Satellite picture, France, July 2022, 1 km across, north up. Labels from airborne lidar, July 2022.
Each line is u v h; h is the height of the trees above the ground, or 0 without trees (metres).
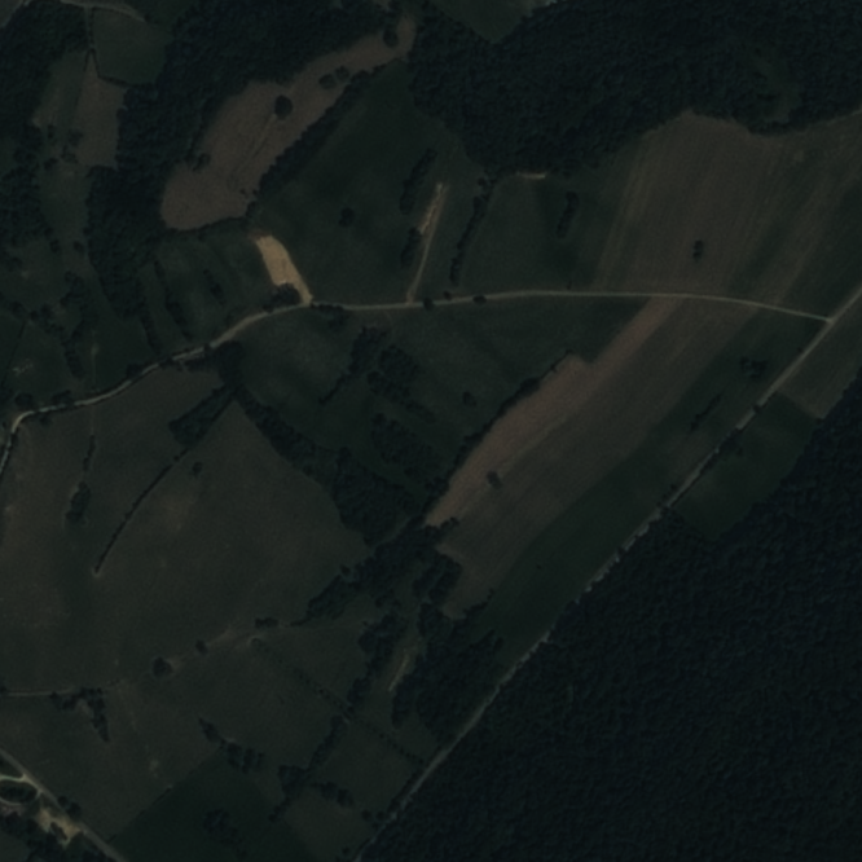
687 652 26
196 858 0
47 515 0
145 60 0
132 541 0
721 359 0
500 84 8
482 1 0
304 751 0
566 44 18
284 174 16
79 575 0
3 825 7
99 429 0
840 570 28
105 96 0
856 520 28
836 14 28
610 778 27
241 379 11
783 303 0
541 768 24
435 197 0
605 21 11
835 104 19
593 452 0
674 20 18
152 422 0
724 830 12
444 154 0
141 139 20
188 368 12
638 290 0
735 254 0
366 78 11
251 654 0
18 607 0
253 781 0
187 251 0
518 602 0
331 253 0
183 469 0
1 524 0
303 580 0
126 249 8
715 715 23
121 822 0
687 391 0
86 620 0
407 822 16
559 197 0
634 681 24
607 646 17
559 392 0
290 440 13
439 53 21
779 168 0
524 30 12
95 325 6
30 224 7
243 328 0
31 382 0
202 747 0
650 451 0
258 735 0
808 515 24
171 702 0
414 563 7
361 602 0
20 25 15
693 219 0
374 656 6
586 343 0
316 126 12
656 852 20
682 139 0
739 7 25
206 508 0
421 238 9
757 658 24
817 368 0
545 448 0
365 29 13
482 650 14
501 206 0
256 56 19
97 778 0
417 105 10
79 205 0
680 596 22
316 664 0
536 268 0
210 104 13
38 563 0
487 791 19
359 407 0
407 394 12
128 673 0
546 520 0
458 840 21
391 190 0
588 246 0
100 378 0
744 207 0
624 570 7
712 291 0
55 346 0
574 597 0
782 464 0
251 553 0
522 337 0
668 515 12
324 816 0
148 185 18
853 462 30
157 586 0
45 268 0
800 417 0
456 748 6
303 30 20
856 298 0
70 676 0
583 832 20
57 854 19
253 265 0
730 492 0
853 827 12
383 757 0
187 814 0
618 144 8
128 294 10
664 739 22
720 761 19
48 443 0
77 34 7
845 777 16
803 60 23
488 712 6
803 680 27
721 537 0
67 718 0
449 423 0
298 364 0
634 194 0
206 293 0
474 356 0
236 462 0
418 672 8
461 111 22
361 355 14
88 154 0
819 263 0
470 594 0
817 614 22
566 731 19
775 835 21
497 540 0
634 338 0
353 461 16
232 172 0
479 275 0
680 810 18
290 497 0
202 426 6
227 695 0
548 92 14
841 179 0
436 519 0
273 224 0
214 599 0
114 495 0
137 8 0
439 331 0
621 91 17
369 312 0
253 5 19
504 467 0
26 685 0
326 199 0
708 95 27
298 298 13
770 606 27
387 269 0
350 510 15
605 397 0
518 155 11
